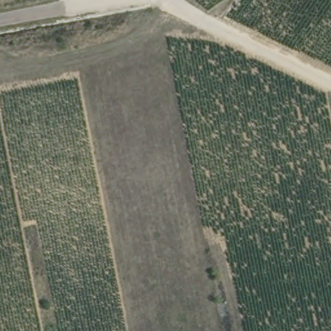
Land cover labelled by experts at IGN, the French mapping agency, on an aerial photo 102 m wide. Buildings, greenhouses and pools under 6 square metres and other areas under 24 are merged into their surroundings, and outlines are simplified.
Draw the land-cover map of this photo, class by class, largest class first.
<instances>
[{"label":"vineyard","instance_id":"1","mask_svg":"<svg viewBox=\"0 0 331 331\"><path fill-rule=\"evenodd\" d=\"M187 3L203 9L209 16L219 18L231 26L237 27L240 23V30L248 32L252 39L259 40L262 44L269 45L274 40L297 50L300 52L297 54L300 61L310 63L315 69L331 74V0H186ZM167 50L163 56L144 50H131L89 66L83 75H80L79 71H69L49 78L16 80L0 84V331H331V92L318 91L312 85L275 70L259 59L247 58L240 50L213 41L168 36L165 39Z\"/></svg>","mask_w":331,"mask_h":331},{"label":"herbaceous vegetation","instance_id":"2","mask_svg":"<svg viewBox=\"0 0 331 331\"><path fill-rule=\"evenodd\" d=\"M168 36L213 41L215 37L209 32L189 25L155 6L111 16L92 10L75 16H66L0 26V84L16 80L49 78L69 71H79L80 75H83L89 66L131 50H144L163 56L167 50L165 39Z\"/></svg>","mask_w":331,"mask_h":331},{"label":"pervious surface","instance_id":"3","mask_svg":"<svg viewBox=\"0 0 331 331\"><path fill-rule=\"evenodd\" d=\"M66 16H75L92 10L111 16L155 6L189 25L209 32L215 37L213 41L240 50L247 58L259 59L275 70L312 85L318 91L331 92V74L315 69L310 63L300 61L297 54L300 52L297 50L274 40L269 45L262 44L259 40L252 39L248 32L240 30V23L237 27L231 26L219 18L209 16L203 9L187 3L186 0H63Z\"/></svg>","mask_w":331,"mask_h":331},{"label":"impervious surface","instance_id":"4","mask_svg":"<svg viewBox=\"0 0 331 331\"><path fill-rule=\"evenodd\" d=\"M66 16L63 0H0V26Z\"/></svg>","mask_w":331,"mask_h":331}]
</instances>
